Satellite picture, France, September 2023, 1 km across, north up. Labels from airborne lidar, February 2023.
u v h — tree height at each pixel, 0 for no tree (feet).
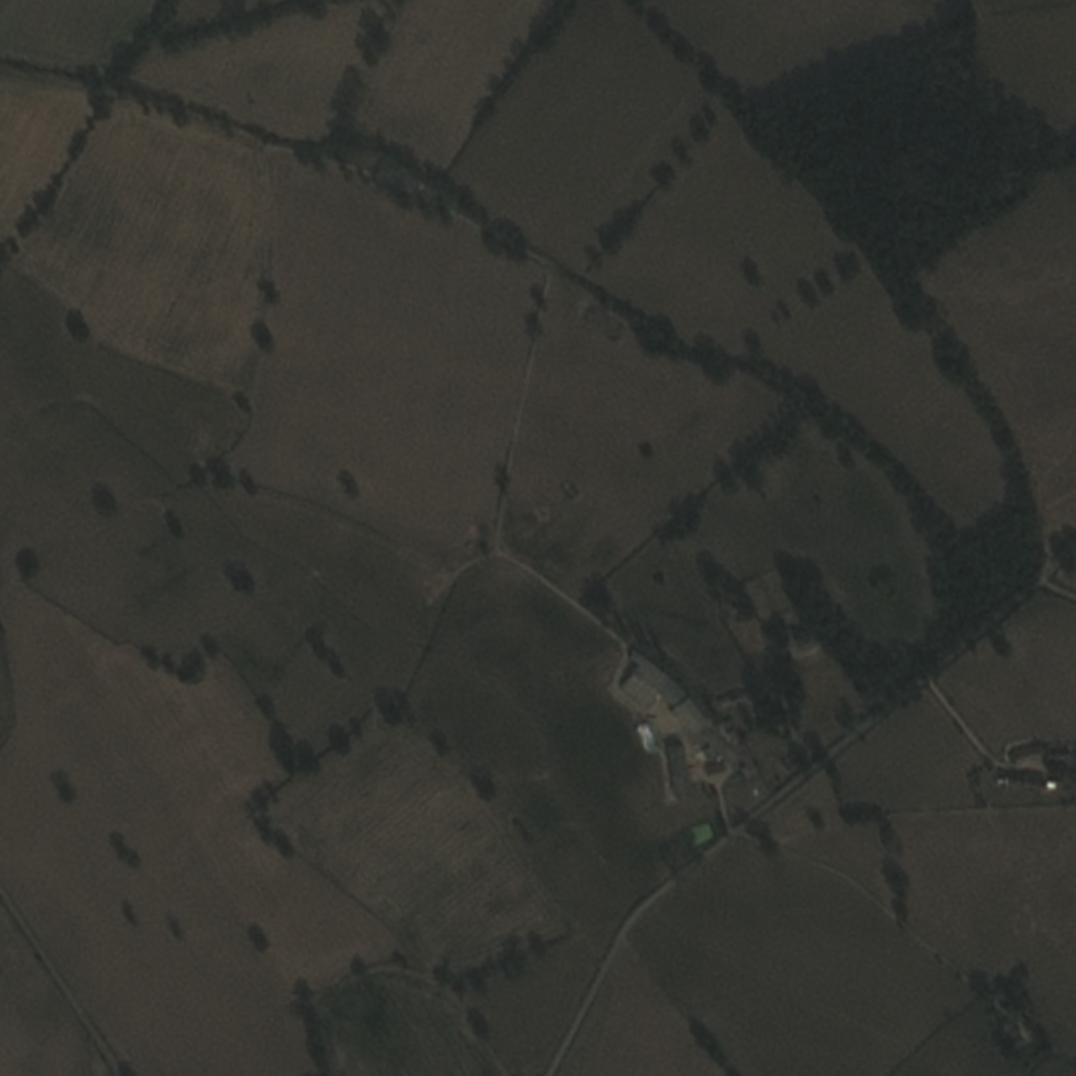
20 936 0
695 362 40
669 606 0
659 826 0
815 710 0
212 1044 0
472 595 0
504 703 0
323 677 0
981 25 0
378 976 0
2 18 0
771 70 0
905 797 0
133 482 0
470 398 0
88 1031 0
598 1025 0
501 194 0
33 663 0
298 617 0
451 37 0
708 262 0
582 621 0
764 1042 0
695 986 0
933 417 0
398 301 0
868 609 0
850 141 76
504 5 0
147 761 0
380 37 72
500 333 0
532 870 0
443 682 0
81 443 0
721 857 0
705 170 0
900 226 73
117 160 0
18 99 0
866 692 76
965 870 0
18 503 0
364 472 0
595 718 0
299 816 0
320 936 0
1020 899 0
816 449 0
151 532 0
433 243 0
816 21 0
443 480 0
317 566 0
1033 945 0
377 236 0
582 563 0
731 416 0
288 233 0
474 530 0
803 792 0
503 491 33
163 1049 0
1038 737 0
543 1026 0
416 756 0
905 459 0
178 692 0
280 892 0
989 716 0
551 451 0
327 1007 0
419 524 0
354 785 0
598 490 0
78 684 0
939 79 75
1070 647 0
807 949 0
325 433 0
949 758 0
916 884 0
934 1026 0
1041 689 0
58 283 0
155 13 30
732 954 0
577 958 0
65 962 0
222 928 0
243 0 0
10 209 0
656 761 0
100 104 57
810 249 0
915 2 0
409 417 0
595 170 0
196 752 0
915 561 0
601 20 0
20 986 0
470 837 0
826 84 73
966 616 43
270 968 0
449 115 0
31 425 0
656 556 0
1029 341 0
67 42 0
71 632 0
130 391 0
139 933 0
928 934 0
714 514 0
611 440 0
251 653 0
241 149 0
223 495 0
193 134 0
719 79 41
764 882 0
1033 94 0
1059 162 55
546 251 0
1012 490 65
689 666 0
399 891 0
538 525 0
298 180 0
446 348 0
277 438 0
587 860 0
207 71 0
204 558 0
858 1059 0
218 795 0
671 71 0
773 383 46
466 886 0
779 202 0
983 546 58
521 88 0
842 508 0
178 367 0
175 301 0
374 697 0
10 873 0
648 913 0
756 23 0
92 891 0
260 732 0
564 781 0
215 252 0
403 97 0
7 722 0
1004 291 0
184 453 0
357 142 65
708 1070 0
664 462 0
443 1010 0
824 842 0
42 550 0
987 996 39
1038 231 0
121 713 0
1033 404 0
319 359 0
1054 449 0
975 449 0
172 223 0
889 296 33
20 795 0
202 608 0
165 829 0
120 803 0
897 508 0
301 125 0
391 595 0
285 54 0
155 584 0
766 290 0
